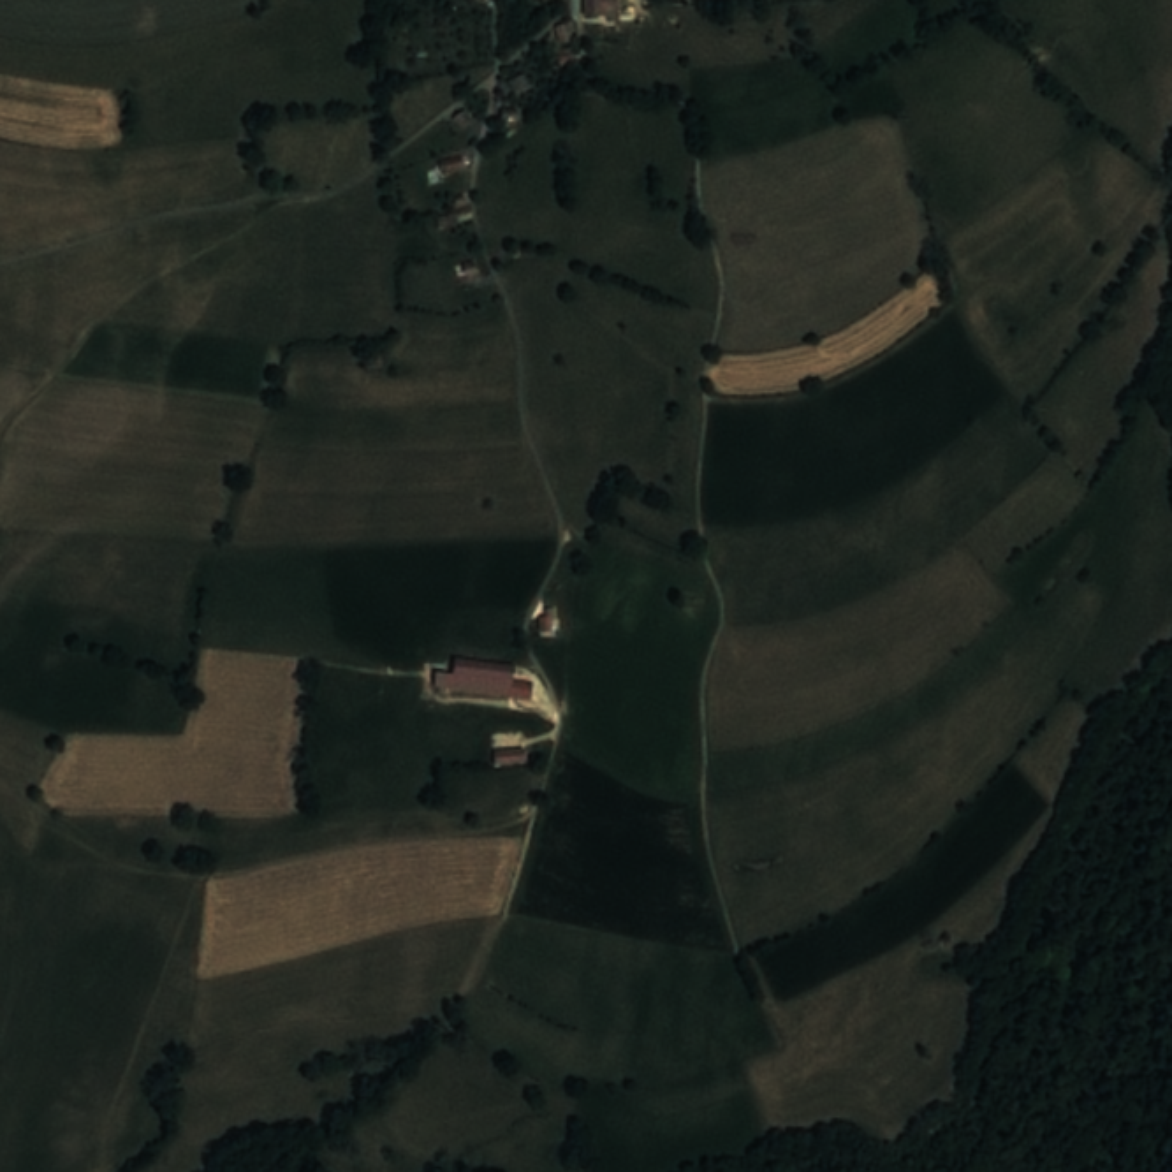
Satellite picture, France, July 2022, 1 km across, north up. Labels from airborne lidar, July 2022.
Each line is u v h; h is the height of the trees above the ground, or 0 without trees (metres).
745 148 0
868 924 0
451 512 0
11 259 0
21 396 0
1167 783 36
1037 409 13
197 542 0
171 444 0
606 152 0
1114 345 0
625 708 0
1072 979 22
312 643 0
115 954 0
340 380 0
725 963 0
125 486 0
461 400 0
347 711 0
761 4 15
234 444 0
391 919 0
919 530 0
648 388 0
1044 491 0
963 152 0
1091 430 0
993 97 0
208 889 0
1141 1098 13
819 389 15
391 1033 0
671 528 0
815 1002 0
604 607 0
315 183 0
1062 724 0
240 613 0
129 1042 0
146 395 0
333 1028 0
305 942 0
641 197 0
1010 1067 32
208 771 0
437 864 0
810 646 0
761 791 0
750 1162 12
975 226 0
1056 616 0
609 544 0
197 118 0
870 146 0
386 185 14
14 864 0
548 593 0
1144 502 0
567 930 0
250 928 0
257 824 0
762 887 0
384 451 0
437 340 0
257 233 0
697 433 0
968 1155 18
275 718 0
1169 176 20
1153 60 0
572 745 0
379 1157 0
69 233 0
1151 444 0
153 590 0
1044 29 0
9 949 0
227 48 0
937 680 0
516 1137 0
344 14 0
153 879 0
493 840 0
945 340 0
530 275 0
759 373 0
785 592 0
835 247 0
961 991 0
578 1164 21
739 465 0
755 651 0
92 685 0
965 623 0
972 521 0
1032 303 0
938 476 0
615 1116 0
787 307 0
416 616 0
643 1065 0
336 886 0
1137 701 35
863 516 0
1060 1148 22
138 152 0
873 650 0
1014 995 22
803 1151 18
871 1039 0
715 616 0
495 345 0
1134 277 14
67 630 0
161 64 0
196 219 0
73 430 0
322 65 0
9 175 0
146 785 0
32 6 0
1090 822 33
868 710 0
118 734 0
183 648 0
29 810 0
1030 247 0
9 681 0
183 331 0
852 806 0
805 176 0
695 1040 0
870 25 0
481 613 0
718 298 0
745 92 0
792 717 0
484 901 0
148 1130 0
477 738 0
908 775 0
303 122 14
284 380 13
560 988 0
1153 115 0
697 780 0
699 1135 0
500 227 0
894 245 0
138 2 0
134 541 0
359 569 0
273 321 0
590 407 0
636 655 0
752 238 0
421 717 0
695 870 0
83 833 0
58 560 0
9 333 0
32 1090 0
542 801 19
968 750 0
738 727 0
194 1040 0
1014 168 0
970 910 0
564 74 6
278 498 0
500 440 0
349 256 0
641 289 14
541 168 0
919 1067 0
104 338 0
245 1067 0
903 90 0
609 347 0
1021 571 0
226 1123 0
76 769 0
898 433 0
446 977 0
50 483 0
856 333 0
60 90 0
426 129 0
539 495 0
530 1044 0
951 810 0
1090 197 0
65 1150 0
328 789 0
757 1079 0
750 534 0
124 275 0
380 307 0
